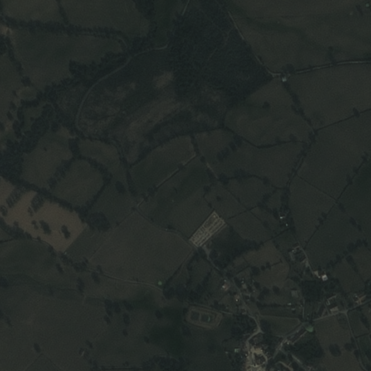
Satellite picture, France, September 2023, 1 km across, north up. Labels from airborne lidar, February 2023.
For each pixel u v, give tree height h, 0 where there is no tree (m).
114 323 0
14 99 15
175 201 0
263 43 0
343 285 0
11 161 6
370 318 0
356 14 0
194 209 0
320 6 0
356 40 0
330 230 0
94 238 0
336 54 0
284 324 0
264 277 0
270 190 0
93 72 15
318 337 0
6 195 0
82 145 0
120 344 0
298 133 0
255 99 0
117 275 0
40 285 0
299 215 0
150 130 0
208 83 8
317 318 0
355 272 10
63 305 0
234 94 5
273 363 12
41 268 0
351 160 0
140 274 0
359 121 0
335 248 0
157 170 0
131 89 0
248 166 0
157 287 0
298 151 0
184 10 0
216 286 0
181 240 0
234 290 0
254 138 0
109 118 0
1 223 18
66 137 0
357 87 0
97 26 0
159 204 0
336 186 0
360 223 0
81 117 0
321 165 0
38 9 0
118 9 0
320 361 0
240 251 11
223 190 0
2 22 16
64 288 0
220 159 18
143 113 0
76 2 0
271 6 0
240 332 12
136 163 6
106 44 0
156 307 0
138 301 0
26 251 0
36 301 0
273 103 0
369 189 0
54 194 0
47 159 0
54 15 0
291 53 0
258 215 0
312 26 0
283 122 0
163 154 0
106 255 0
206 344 0
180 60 10
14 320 0
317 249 0
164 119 0
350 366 0
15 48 0
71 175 0
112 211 0
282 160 0
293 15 0
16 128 11
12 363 0
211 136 0
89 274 0
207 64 8
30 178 0
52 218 0
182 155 0
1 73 0
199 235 0
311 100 0
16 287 0
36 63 0
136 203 0
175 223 0
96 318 0
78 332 0
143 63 0
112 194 0
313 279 9
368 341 0
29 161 0
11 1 0
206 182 0
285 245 0
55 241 0
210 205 7
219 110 0
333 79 0
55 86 9
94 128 0
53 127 7
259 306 12
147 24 0
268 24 0
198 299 13
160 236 0
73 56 0
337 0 0
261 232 0
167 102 0
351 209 0
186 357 0
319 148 0
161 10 0
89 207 18
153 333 0
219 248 10
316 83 0
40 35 0
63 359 0
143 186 0
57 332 0
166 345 0
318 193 0
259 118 0
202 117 0
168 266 0
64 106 0
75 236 0
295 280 10
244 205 0
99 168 15
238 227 0
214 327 0
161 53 0
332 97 0
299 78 0
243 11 0
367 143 0
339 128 0
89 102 0
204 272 0
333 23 0
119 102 0
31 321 0
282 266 0
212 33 9
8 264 0
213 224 0
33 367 0
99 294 0
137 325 0
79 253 0
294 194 0
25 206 0
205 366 0
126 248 0
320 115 0
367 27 0
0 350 0
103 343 0
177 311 0
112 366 0
